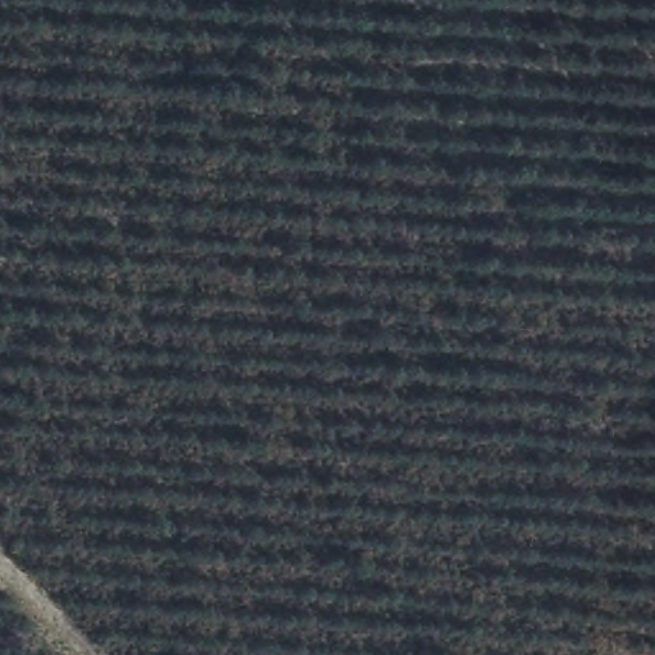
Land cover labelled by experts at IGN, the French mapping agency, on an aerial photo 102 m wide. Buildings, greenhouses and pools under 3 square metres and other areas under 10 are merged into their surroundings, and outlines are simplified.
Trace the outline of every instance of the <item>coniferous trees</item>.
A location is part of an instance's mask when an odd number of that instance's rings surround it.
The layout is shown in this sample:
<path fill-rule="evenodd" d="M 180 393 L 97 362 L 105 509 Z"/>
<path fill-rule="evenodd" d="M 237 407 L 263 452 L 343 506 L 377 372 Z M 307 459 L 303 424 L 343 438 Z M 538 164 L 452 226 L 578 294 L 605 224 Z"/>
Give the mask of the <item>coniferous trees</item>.
<path fill-rule="evenodd" d="M 15 550 L 41 555 L 43 563 L 51 563 L 56 555 L 77 558 L 82 553 L 82 542 L 72 540 L 15 540 Z"/>
<path fill-rule="evenodd" d="M 179 72 L 179 61 L 143 59 L 143 72 Z"/>
<path fill-rule="evenodd" d="M 655 95 L 573 92 L 550 84 L 481 84 L 412 77 L 402 79 L 399 87 L 417 92 L 473 97 L 525 97 L 565 100 L 576 105 L 655 107 Z"/>
<path fill-rule="evenodd" d="M 3 20 L 0 26 L 0 33 L 26 33 L 46 38 L 51 33 L 51 23 Z"/>
<path fill-rule="evenodd" d="M 38 425 L 0 425 L 0 440 L 36 438 Z"/>
<path fill-rule="evenodd" d="M 289 97 L 274 95 L 264 84 L 253 92 L 243 92 L 238 87 L 197 90 L 148 87 L 125 82 L 105 84 L 87 79 L 54 82 L 0 77 L 0 92 L 41 92 L 59 97 L 90 95 L 156 105 L 166 100 L 220 102 L 246 113 L 284 110 Z"/>
<path fill-rule="evenodd" d="M 18 110 L 20 123 L 54 123 L 61 128 L 133 125 L 133 115 L 54 113 L 28 107 Z"/>
<path fill-rule="evenodd" d="M 69 23 L 72 38 L 87 41 L 110 38 L 120 43 L 146 43 L 159 49 L 238 49 L 243 43 L 243 36 L 212 36 L 192 31 L 166 33 L 159 28 L 113 26 L 95 28 L 84 23 Z"/>
<path fill-rule="evenodd" d="M 430 430 L 374 425 L 376 438 L 412 440 L 414 445 L 420 445 L 420 450 L 425 445 L 435 445 L 438 435 L 445 432 L 445 440 L 450 443 L 586 450 L 614 458 L 655 461 L 655 445 L 632 448 L 581 438 L 545 438 L 532 432 L 476 432 L 455 427 Z"/>
<path fill-rule="evenodd" d="M 125 159 L 133 148 L 133 143 L 74 141 L 74 154 L 87 159 L 102 156 L 118 161 Z"/>
<path fill-rule="evenodd" d="M 182 491 L 120 491 L 79 486 L 79 501 L 148 504 L 151 509 L 156 504 L 184 504 Z"/>
<path fill-rule="evenodd" d="M 28 499 L 38 494 L 41 481 L 0 481 L 0 494 L 18 494 Z"/>
<path fill-rule="evenodd" d="M 325 407 L 358 409 L 397 407 L 399 394 L 389 391 L 315 391 L 310 386 L 233 384 L 210 376 L 212 366 L 223 366 L 223 353 L 230 340 L 258 340 L 261 345 L 335 345 L 340 333 L 294 333 L 266 328 L 210 328 L 187 322 L 159 322 L 156 335 L 202 340 L 202 353 L 120 351 L 115 345 L 92 345 L 92 358 L 123 363 L 202 366 L 202 379 L 169 379 L 169 389 L 174 394 L 225 394 L 248 397 L 251 402 L 294 399 Z"/>
<path fill-rule="evenodd" d="M 655 194 L 655 182 L 624 182 L 596 174 L 537 169 L 461 171 L 461 184 L 486 182 L 507 187 L 588 187 L 614 194 Z"/>
<path fill-rule="evenodd" d="M 328 491 L 366 494 L 371 486 L 371 481 L 330 478 Z"/>
<path fill-rule="evenodd" d="M 253 455 L 269 458 L 271 453 L 271 445 L 266 440 L 210 440 L 207 453 L 217 453 L 228 461 L 243 461 Z"/>
<path fill-rule="evenodd" d="M 614 591 L 614 601 L 655 606 L 655 591 Z"/>
<path fill-rule="evenodd" d="M 438 51 L 422 46 L 389 46 L 389 59 L 417 61 L 425 67 L 517 67 L 583 77 L 622 74 L 655 79 L 655 38 L 588 36 L 568 31 L 545 33 L 517 26 L 448 23 L 432 18 L 407 20 L 269 8 L 235 10 L 230 5 L 205 8 L 205 18 L 217 23 L 302 23 L 320 28 L 509 38 L 537 46 L 578 43 L 591 49 L 586 61 L 537 59 L 494 51 Z M 601 64 L 601 49 L 640 49 L 642 61 Z"/>
<path fill-rule="evenodd" d="M 0 197 L 0 207 L 46 207 L 67 215 L 84 212 L 105 217 L 113 200 L 64 200 L 56 194 Z"/>
<path fill-rule="evenodd" d="M 246 565 L 248 553 L 256 545 L 322 545 L 320 532 L 266 532 L 238 530 L 228 525 L 177 525 L 169 519 L 143 522 L 79 517 L 72 519 L 72 527 L 82 530 L 182 537 L 202 535 L 235 540 L 238 553 L 187 553 L 171 548 L 141 550 L 128 545 L 105 545 L 105 560 L 171 560 L 174 565 L 189 563 L 241 568 Z"/>
<path fill-rule="evenodd" d="M 617 328 L 617 317 L 622 317 L 624 312 L 655 312 L 655 299 L 619 299 L 614 294 L 565 294 L 535 289 L 509 292 L 504 287 L 489 287 L 484 297 L 499 304 L 560 304 L 606 310 L 604 325 L 571 325 L 563 328 L 563 333 L 555 340 L 637 340 L 640 328 Z"/>
<path fill-rule="evenodd" d="M 92 394 L 107 394 L 118 386 L 115 374 L 95 376 L 46 368 L 46 381 L 51 381 L 54 386 L 87 386 Z"/>
<path fill-rule="evenodd" d="M 599 599 L 604 591 L 604 586 L 578 583 L 571 578 L 535 578 L 532 591 L 560 591 Z"/>
<path fill-rule="evenodd" d="M 61 609 L 69 619 L 74 614 L 107 617 L 118 604 L 67 601 Z"/>
<path fill-rule="evenodd" d="M 184 225 L 225 223 L 235 225 L 238 241 L 189 241 L 189 251 L 233 256 L 251 253 L 276 258 L 281 251 L 279 246 L 248 243 L 256 235 L 264 235 L 266 228 L 322 230 L 338 235 L 397 235 L 404 225 L 399 220 L 335 220 L 325 215 L 281 215 L 210 207 L 189 210 L 182 205 L 141 202 L 125 205 L 125 217 L 146 217 L 151 223 L 151 235 L 33 225 L 33 241 L 61 243 L 87 241 L 128 248 L 171 248 L 174 238 L 169 235 L 169 220 L 179 220 Z"/>
<path fill-rule="evenodd" d="M 151 476 L 154 481 L 210 478 L 210 468 L 182 471 L 179 466 L 97 461 L 97 473 Z"/>
<path fill-rule="evenodd" d="M 320 565 L 320 576 L 384 578 L 391 594 L 358 596 L 317 588 L 302 591 L 304 601 L 330 606 L 417 612 L 432 609 L 432 599 L 425 599 L 432 586 L 448 594 L 458 594 L 461 588 L 484 588 L 486 601 L 448 601 L 450 612 L 468 614 L 473 629 L 458 629 L 450 624 L 414 624 L 417 637 L 481 642 L 484 629 L 504 629 L 504 622 L 494 622 L 494 612 L 507 606 L 509 591 L 519 591 L 522 578 L 514 576 L 514 560 L 578 565 L 594 573 L 655 576 L 655 563 L 599 560 L 568 553 L 509 548 L 489 550 L 471 548 L 471 537 L 476 535 L 476 530 L 489 530 L 512 532 L 517 540 L 525 540 L 527 535 L 568 535 L 581 537 L 586 542 L 614 542 L 645 550 L 655 548 L 655 535 L 645 535 L 640 527 L 609 530 L 576 522 L 568 525 L 491 519 L 486 514 L 417 514 L 414 519 L 407 512 L 394 509 L 368 509 L 358 504 L 307 504 L 307 517 L 389 522 L 389 540 L 351 540 L 351 548 L 361 550 L 361 563 L 345 563 L 335 558 Z M 466 571 L 468 563 L 484 560 L 504 565 L 501 576 L 461 576 L 461 571 Z"/>
<path fill-rule="evenodd" d="M 179 18 L 184 15 L 184 3 L 141 0 L 0 0 L 0 5 Z"/>
<path fill-rule="evenodd" d="M 330 320 L 343 322 L 376 320 L 384 325 L 425 325 L 430 304 L 435 299 L 455 294 L 455 279 L 461 271 L 655 284 L 655 271 L 612 269 L 601 264 L 530 264 L 501 258 L 445 261 L 440 258 L 440 253 L 448 241 L 494 241 L 655 253 L 655 238 L 627 235 L 614 243 L 609 235 L 596 233 L 535 233 L 512 228 L 450 228 L 417 223 L 412 228 L 420 233 L 420 241 L 407 243 L 407 253 L 315 248 L 310 243 L 299 243 L 292 248 L 292 258 L 312 258 L 320 264 L 338 261 L 374 266 L 425 266 L 438 271 L 435 281 L 417 284 L 379 279 L 376 292 L 397 294 L 397 310 L 374 310 L 366 304 L 330 307 Z"/>
<path fill-rule="evenodd" d="M 264 304 L 269 317 L 294 315 L 310 320 L 310 304 L 279 302 Z"/>
<path fill-rule="evenodd" d="M 248 417 L 243 412 L 179 412 L 136 404 L 87 407 L 33 399 L 33 412 L 38 414 L 102 417 L 123 422 L 156 417 L 200 425 L 243 425 Z"/>
<path fill-rule="evenodd" d="M 568 18 L 596 20 L 655 20 L 655 8 L 594 5 L 565 0 L 427 0 L 432 5 L 445 8 L 560 13 Z"/>
<path fill-rule="evenodd" d="M 294 632 L 315 629 L 317 622 L 317 617 L 128 606 L 128 617 L 138 622 L 161 619 L 171 624 L 215 624 L 228 627 L 228 632 L 269 627 L 276 632 Z"/>
<path fill-rule="evenodd" d="M 279 82 L 292 82 L 302 87 L 351 84 L 379 90 L 389 84 L 389 77 L 381 72 L 353 74 L 289 69 L 292 56 L 340 54 L 366 59 L 374 54 L 371 41 L 310 41 L 294 36 L 266 36 L 256 41 L 256 49 L 269 51 L 274 56 L 271 77 Z"/>
<path fill-rule="evenodd" d="M 123 69 L 125 64 L 123 56 L 77 56 L 77 67 L 92 69 Z"/>
<path fill-rule="evenodd" d="M 514 330 L 519 325 L 519 317 L 504 317 L 501 343 L 473 343 L 473 356 L 586 366 L 594 366 L 599 358 L 606 358 L 606 366 L 612 368 L 635 368 L 642 374 L 655 374 L 655 358 L 645 358 L 637 351 L 617 356 L 591 351 L 563 353 L 530 348 Z"/>
<path fill-rule="evenodd" d="M 402 146 L 404 138 L 402 133 L 353 133 L 353 146 L 394 148 Z"/>
<path fill-rule="evenodd" d="M 310 128 L 284 130 L 281 141 L 322 146 L 330 141 L 330 133 Z"/>
<path fill-rule="evenodd" d="M 200 440 L 194 432 L 130 432 L 130 448 L 192 448 Z"/>
<path fill-rule="evenodd" d="M 340 274 L 315 276 L 304 271 L 243 269 L 243 284 L 302 284 L 304 289 L 315 289 L 317 294 L 338 289 L 363 292 L 371 284 L 371 279 L 345 279 Z"/>
<path fill-rule="evenodd" d="M 619 210 L 586 202 L 519 205 L 519 212 L 527 217 L 619 220 L 655 225 L 655 210 Z"/>
<path fill-rule="evenodd" d="M 207 61 L 194 64 L 194 74 L 246 77 L 248 64 L 228 67 L 220 61 Z"/>
<path fill-rule="evenodd" d="M 5 136 L 0 130 L 0 146 L 5 151 L 33 148 L 41 154 L 51 154 L 59 141 L 43 136 Z"/>
<path fill-rule="evenodd" d="M 299 491 L 307 486 L 307 476 L 276 476 L 276 489 Z"/>
<path fill-rule="evenodd" d="M 74 187 L 113 187 L 113 174 L 64 171 L 64 182 Z"/>
<path fill-rule="evenodd" d="M 617 617 L 581 614 L 573 609 L 558 612 L 560 622 L 573 627 L 655 632 L 655 619 L 624 622 Z"/>
<path fill-rule="evenodd" d="M 617 468 L 594 468 L 588 463 L 545 466 L 545 476 L 550 478 L 560 476 L 568 481 L 599 481 L 617 486 L 655 489 L 655 476 L 627 473 Z"/>
<path fill-rule="evenodd" d="M 169 130 L 174 133 L 220 136 L 228 146 L 215 148 L 215 154 L 210 156 L 217 166 L 248 164 L 264 169 L 340 171 L 351 177 L 407 177 L 430 182 L 440 182 L 445 174 L 445 169 L 440 166 L 417 164 L 361 164 L 345 159 L 281 156 L 276 151 L 248 154 L 235 148 L 241 138 L 266 138 L 271 136 L 269 125 L 166 120 Z"/>
<path fill-rule="evenodd" d="M 409 501 L 427 499 L 427 489 L 422 486 L 389 484 L 389 496 L 404 496 Z"/>
<path fill-rule="evenodd" d="M 246 588 L 241 583 L 182 581 L 182 594 L 197 596 L 241 596 Z"/>
<path fill-rule="evenodd" d="M 409 455 L 348 450 L 351 463 L 381 468 L 417 466 L 427 468 L 430 473 L 450 476 L 473 473 L 484 463 L 481 458 L 438 458 L 427 453 Z"/>
<path fill-rule="evenodd" d="M 0 294 L 54 299 L 59 287 L 0 281 Z"/>
<path fill-rule="evenodd" d="M 525 128 L 573 128 L 619 136 L 655 136 L 655 123 L 586 120 L 573 115 L 535 115 L 507 110 L 440 110 L 435 105 L 384 105 L 389 118 L 432 120 L 448 125 L 494 123 Z"/>
<path fill-rule="evenodd" d="M 368 650 L 345 652 L 307 645 L 246 645 L 238 642 L 235 635 L 228 635 L 228 640 L 220 642 L 107 632 L 102 635 L 100 645 L 95 645 L 102 655 L 107 655 L 115 645 L 217 655 L 374 655 Z"/>
<path fill-rule="evenodd" d="M 345 207 L 374 205 L 407 210 L 427 207 L 443 212 L 489 212 L 501 205 L 496 197 L 448 200 L 435 194 L 307 189 L 297 184 L 241 182 L 235 192 L 238 197 L 289 197 L 299 205 L 320 200 Z"/>
<path fill-rule="evenodd" d="M 18 363 L 0 366 L 0 381 L 31 381 L 36 368 Z"/>
<path fill-rule="evenodd" d="M 448 138 L 425 141 L 425 151 L 445 154 L 509 154 L 540 159 L 560 156 L 576 161 L 596 159 L 606 164 L 632 164 L 655 169 L 655 154 L 609 151 L 588 143 L 496 143 Z"/>
<path fill-rule="evenodd" d="M 455 304 L 453 320 L 458 328 L 491 328 L 491 317 L 466 315 L 466 304 Z"/>
<path fill-rule="evenodd" d="M 361 107 L 361 102 L 356 100 L 333 102 L 315 97 L 315 113 L 328 110 L 335 118 L 356 115 Z"/>
<path fill-rule="evenodd" d="M 174 161 L 202 159 L 202 146 L 169 146 L 169 159 Z"/>
<path fill-rule="evenodd" d="M 501 507 L 540 507 L 568 512 L 578 509 L 609 517 L 655 519 L 655 504 L 612 504 L 599 496 L 532 496 L 504 491 L 491 494 L 491 504 Z"/>
<path fill-rule="evenodd" d="M 522 386 L 568 391 L 578 397 L 576 407 L 548 402 L 471 402 L 430 397 L 435 412 L 466 412 L 481 417 L 491 414 L 522 420 L 550 417 L 576 425 L 655 430 L 655 414 L 606 414 L 599 407 L 591 407 L 591 402 L 599 394 L 604 394 L 609 399 L 637 397 L 655 402 L 655 389 L 612 381 L 596 384 L 545 379 L 512 371 L 438 371 L 422 366 L 391 368 L 279 358 L 238 361 L 241 371 L 320 374 L 328 381 L 345 376 L 402 384 L 422 381 L 484 389 Z"/>
<path fill-rule="evenodd" d="M 207 179 L 171 177 L 166 182 L 169 192 L 194 194 L 207 192 L 212 184 Z"/>
<path fill-rule="evenodd" d="M 82 328 L 82 315 L 5 310 L 3 322 L 13 325 Z"/>
<path fill-rule="evenodd" d="M 31 576 L 33 583 L 49 596 L 51 591 L 64 586 L 164 591 L 166 581 L 100 573 L 84 576 L 69 571 L 36 571 Z"/>
<path fill-rule="evenodd" d="M 79 299 L 84 302 L 105 302 L 102 330 L 118 333 L 136 330 L 141 307 L 182 307 L 189 312 L 248 312 L 253 304 L 251 299 L 156 299 L 146 297 L 143 292 L 120 294 L 115 289 L 79 289 Z"/>
<path fill-rule="evenodd" d="M 5 264 L 72 276 L 128 276 L 130 271 L 136 271 L 136 261 L 130 258 L 26 258 L 20 253 L 8 253 Z"/>
<path fill-rule="evenodd" d="M 69 356 L 72 343 L 56 340 L 31 343 L 28 353 Z"/>

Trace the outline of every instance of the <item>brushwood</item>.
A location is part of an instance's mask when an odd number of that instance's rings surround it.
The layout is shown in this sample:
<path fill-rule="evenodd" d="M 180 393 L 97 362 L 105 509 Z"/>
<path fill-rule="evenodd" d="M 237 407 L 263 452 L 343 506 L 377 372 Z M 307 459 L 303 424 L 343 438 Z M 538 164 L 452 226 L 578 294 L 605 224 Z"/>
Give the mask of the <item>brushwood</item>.
<path fill-rule="evenodd" d="M 527 535 L 525 540 L 517 540 L 512 532 L 489 530 L 476 530 L 476 535 L 471 537 L 471 548 L 489 550 L 509 548 L 568 553 L 599 560 L 655 563 L 655 548 L 645 550 L 614 542 L 586 542 L 581 537 L 568 535 Z"/>
<path fill-rule="evenodd" d="M 20 571 L 31 576 L 36 571 L 69 571 L 84 576 L 100 573 L 166 581 L 164 591 L 64 586 L 51 591 L 49 596 L 61 609 L 67 601 L 118 604 L 107 617 L 74 614 L 69 619 L 74 629 L 79 629 L 95 645 L 100 645 L 102 635 L 107 632 L 220 642 L 228 640 L 228 635 L 235 635 L 238 642 L 246 645 L 307 645 L 345 652 L 368 650 L 374 655 L 545 655 L 542 650 L 550 647 L 558 637 L 596 642 L 599 637 L 604 637 L 629 650 L 655 647 L 655 632 L 573 627 L 560 622 L 558 612 L 573 609 L 581 614 L 617 617 L 624 622 L 655 619 L 655 606 L 614 601 L 614 591 L 655 591 L 655 576 L 594 573 L 578 565 L 514 560 L 514 576 L 522 578 L 519 591 L 509 591 L 507 606 L 494 612 L 494 622 L 504 622 L 504 629 L 484 629 L 481 642 L 417 637 L 414 624 L 450 624 L 458 629 L 473 629 L 468 614 L 450 612 L 448 601 L 486 601 L 484 588 L 461 588 L 458 594 L 448 594 L 432 586 L 425 599 L 432 599 L 432 609 L 417 612 L 330 606 L 304 601 L 302 591 L 317 588 L 358 596 L 391 594 L 384 578 L 320 576 L 320 565 L 335 558 L 345 563 L 361 563 L 361 550 L 351 548 L 351 540 L 389 540 L 389 522 L 307 517 L 307 504 L 358 504 L 368 509 L 394 509 L 407 512 L 414 519 L 417 514 L 486 514 L 491 519 L 568 525 L 576 522 L 609 530 L 640 527 L 645 535 L 655 535 L 655 519 L 609 517 L 578 509 L 568 512 L 540 507 L 501 507 L 491 504 L 491 494 L 504 491 L 532 496 L 599 496 L 612 504 L 655 504 L 655 489 L 617 486 L 599 481 L 568 481 L 560 476 L 550 478 L 545 476 L 545 466 L 588 463 L 594 468 L 617 468 L 627 473 L 655 476 L 655 461 L 614 458 L 586 450 L 450 443 L 445 440 L 445 432 L 438 435 L 435 445 L 425 445 L 420 450 L 420 445 L 414 445 L 412 440 L 376 438 L 374 425 L 430 430 L 455 427 L 476 432 L 532 432 L 545 438 L 581 438 L 632 448 L 655 445 L 655 430 L 576 425 L 550 417 L 522 420 L 491 414 L 481 417 L 466 412 L 435 412 L 430 397 L 471 402 L 548 402 L 576 407 L 578 397 L 568 391 L 522 386 L 484 389 L 422 381 L 402 384 L 345 376 L 328 381 L 320 374 L 241 371 L 238 361 L 279 358 L 391 368 L 422 366 L 438 371 L 512 371 L 545 379 L 596 384 L 612 381 L 655 389 L 655 374 L 642 374 L 635 368 L 612 368 L 606 366 L 606 358 L 599 358 L 594 366 L 586 366 L 473 356 L 473 343 L 501 343 L 504 317 L 519 317 L 519 325 L 514 330 L 530 348 L 563 353 L 591 351 L 617 356 L 637 351 L 645 358 L 655 358 L 655 312 L 624 312 L 622 317 L 617 317 L 617 328 L 640 328 L 637 340 L 555 340 L 563 333 L 563 328 L 571 325 L 604 325 L 606 310 L 560 304 L 499 304 L 484 297 L 489 287 L 504 287 L 509 292 L 535 289 L 565 294 L 614 294 L 619 299 L 655 299 L 655 284 L 461 271 L 455 279 L 455 294 L 435 299 L 430 304 L 425 325 L 384 325 L 376 320 L 343 322 L 330 320 L 330 307 L 366 304 L 374 310 L 397 310 L 397 294 L 376 292 L 379 279 L 417 284 L 435 281 L 438 271 L 425 266 L 374 266 L 338 261 L 320 264 L 312 258 L 292 258 L 292 248 L 299 243 L 310 243 L 315 248 L 407 253 L 407 243 L 420 241 L 420 233 L 412 228 L 417 223 L 450 228 L 512 228 L 535 233 L 596 233 L 609 235 L 614 243 L 627 235 L 655 238 L 655 225 L 619 220 L 527 217 L 519 212 L 519 205 L 586 202 L 619 210 L 655 210 L 655 194 L 614 194 L 588 187 L 507 187 L 486 182 L 461 184 L 461 171 L 537 169 L 596 174 L 624 182 L 655 182 L 655 169 L 632 164 L 606 164 L 596 159 L 576 161 L 560 156 L 540 159 L 509 154 L 445 154 L 425 151 L 425 141 L 448 138 L 496 143 L 588 143 L 609 151 L 655 154 L 655 136 L 619 136 L 573 128 L 525 128 L 494 123 L 448 125 L 432 120 L 389 118 L 384 105 L 435 105 L 440 110 L 507 110 L 535 115 L 573 115 L 586 120 L 655 123 L 655 107 L 576 105 L 565 100 L 525 97 L 473 97 L 417 92 L 399 87 L 402 79 L 412 77 L 481 84 L 550 84 L 573 92 L 655 95 L 655 79 L 622 74 L 583 77 L 517 67 L 425 67 L 417 61 L 389 59 L 389 46 L 422 46 L 438 51 L 494 51 L 537 59 L 586 61 L 591 49 L 578 43 L 537 46 L 509 38 L 320 28 L 302 23 L 217 23 L 205 18 L 205 8 L 230 5 L 235 10 L 269 8 L 407 20 L 432 18 L 448 23 L 517 26 L 545 33 L 568 31 L 588 36 L 655 38 L 655 20 L 596 20 L 568 18 L 560 13 L 445 8 L 432 5 L 427 0 L 141 0 L 184 3 L 184 15 L 179 18 L 0 5 L 0 26 L 3 20 L 51 23 L 51 33 L 46 38 L 26 33 L 0 33 L 0 77 L 54 82 L 87 79 L 105 84 L 125 82 L 148 87 L 197 90 L 238 87 L 243 92 L 253 92 L 264 84 L 274 95 L 289 97 L 284 110 L 246 113 L 220 102 L 166 100 L 156 105 L 90 95 L 59 97 L 41 92 L 0 92 L 0 130 L 5 136 L 43 136 L 59 141 L 51 154 L 41 154 L 33 148 L 5 151 L 0 146 L 0 197 L 56 194 L 64 200 L 113 200 L 105 217 L 84 212 L 67 215 L 46 207 L 0 207 L 0 281 L 59 287 L 54 299 L 0 294 L 0 366 L 18 363 L 36 368 L 31 381 L 0 381 L 0 425 L 38 425 L 36 438 L 0 440 L 0 481 L 41 481 L 38 494 L 28 499 L 18 494 L 0 494 L 0 548 L 5 558 L 10 558 Z M 113 26 L 159 28 L 166 33 L 192 31 L 212 36 L 243 36 L 243 43 L 238 49 L 159 49 L 146 43 L 120 43 L 110 38 L 87 41 L 72 38 L 69 23 L 84 23 L 95 28 Z M 274 56 L 269 51 L 256 49 L 256 41 L 266 36 L 294 36 L 310 41 L 371 41 L 374 54 L 366 59 L 340 54 L 292 56 L 289 69 L 353 74 L 381 72 L 389 77 L 389 84 L 379 90 L 351 84 L 302 87 L 292 82 L 279 82 L 271 77 Z M 125 64 L 123 69 L 92 69 L 77 67 L 77 56 L 123 56 Z M 143 72 L 143 59 L 179 61 L 179 72 Z M 248 64 L 246 77 L 194 74 L 194 64 L 207 61 L 220 61 L 228 67 Z M 361 102 L 361 107 L 356 115 L 335 118 L 328 110 L 315 113 L 315 97 L 333 102 L 356 100 Z M 61 128 L 54 123 L 20 123 L 18 110 L 28 107 L 54 113 L 133 115 L 133 125 Z M 269 125 L 271 136 L 266 138 L 241 138 L 235 148 L 248 154 L 276 151 L 281 156 L 345 159 L 361 164 L 417 164 L 440 166 L 445 169 L 445 174 L 440 182 L 430 182 L 407 177 L 351 177 L 340 171 L 264 169 L 248 164 L 217 166 L 210 156 L 215 154 L 215 148 L 228 146 L 220 136 L 174 133 L 169 130 L 166 120 Z M 330 141 L 322 146 L 281 141 L 284 130 L 310 128 L 330 133 Z M 404 138 L 402 146 L 394 148 L 353 146 L 353 133 L 402 133 Z M 87 159 L 74 154 L 74 141 L 133 143 L 133 148 L 125 159 L 118 161 L 102 156 Z M 169 159 L 169 146 L 202 146 L 202 159 L 174 161 Z M 64 171 L 113 174 L 113 187 L 74 187 L 64 182 Z M 207 192 L 194 194 L 169 192 L 166 182 L 171 177 L 207 179 L 212 184 Z M 435 194 L 448 200 L 496 197 L 501 205 L 489 212 L 443 212 L 427 207 L 407 210 L 374 205 L 345 207 L 320 200 L 299 205 L 289 197 L 238 197 L 235 192 L 241 182 L 297 184 L 307 189 Z M 397 235 L 338 235 L 322 230 L 266 228 L 264 235 L 256 235 L 248 243 L 279 246 L 281 251 L 276 258 L 251 253 L 233 256 L 189 251 L 189 241 L 238 241 L 235 225 L 225 223 L 184 225 L 179 220 L 169 220 L 169 235 L 174 238 L 171 248 L 128 248 L 87 241 L 61 243 L 33 241 L 33 225 L 151 235 L 151 223 L 146 217 L 125 217 L 125 205 L 141 202 L 182 205 L 189 210 L 210 207 L 281 215 L 325 215 L 335 220 L 399 220 L 404 225 Z M 26 258 L 130 258 L 136 261 L 136 271 L 130 271 L 128 276 L 72 276 L 5 264 L 8 253 L 20 253 Z M 315 276 L 340 274 L 345 279 L 371 279 L 371 284 L 363 292 L 338 289 L 317 294 L 315 289 L 304 289 L 302 284 L 243 284 L 243 269 L 304 271 Z M 102 330 L 105 302 L 84 302 L 79 299 L 79 289 L 115 289 L 120 294 L 143 292 L 146 297 L 156 299 L 251 299 L 253 304 L 248 312 L 189 312 L 182 307 L 141 307 L 136 330 L 118 333 Z M 264 304 L 279 302 L 310 304 L 310 320 L 294 315 L 269 317 Z M 455 304 L 466 304 L 466 315 L 491 317 L 491 328 L 458 328 L 453 320 Z M 5 310 L 82 315 L 82 328 L 13 325 L 3 322 Z M 223 353 L 223 366 L 212 366 L 210 376 L 233 384 L 310 386 L 315 391 L 389 391 L 399 394 L 397 407 L 358 409 L 325 407 L 294 399 L 251 402 L 248 397 L 225 394 L 174 394 L 169 389 L 169 379 L 202 379 L 202 366 L 123 363 L 92 358 L 92 345 L 115 345 L 120 351 L 202 353 L 202 340 L 156 335 L 159 322 L 187 322 L 210 328 L 266 328 L 294 333 L 340 333 L 335 345 L 261 345 L 258 340 L 230 340 Z M 28 353 L 31 343 L 56 340 L 72 343 L 69 356 Z M 92 394 L 87 386 L 54 386 L 51 381 L 46 381 L 46 368 L 95 376 L 115 374 L 118 386 L 107 394 Z M 200 425 L 156 417 L 123 422 L 102 417 L 38 414 L 33 412 L 33 399 L 87 407 L 136 404 L 179 412 L 243 412 L 248 417 L 243 425 Z M 192 448 L 130 448 L 130 432 L 194 432 L 200 440 Z M 207 453 L 210 440 L 266 440 L 271 445 L 271 453 L 269 458 L 253 455 L 243 461 L 228 461 L 217 453 Z M 430 473 L 427 468 L 417 466 L 381 468 L 351 463 L 348 450 L 409 455 L 427 453 L 438 458 L 481 458 L 484 463 L 473 473 L 450 476 Z M 97 461 L 179 466 L 182 471 L 210 468 L 210 478 L 154 481 L 151 476 L 97 473 Z M 307 486 L 299 491 L 276 489 L 276 476 L 307 476 Z M 328 491 L 330 478 L 371 481 L 371 486 L 366 494 Z M 389 484 L 422 486 L 427 489 L 427 499 L 409 501 L 404 496 L 389 496 Z M 156 504 L 151 509 L 148 504 L 79 501 L 79 486 L 120 491 L 182 491 L 184 504 Z M 141 550 L 171 548 L 187 553 L 238 553 L 235 540 L 202 535 L 182 537 L 82 530 L 72 527 L 72 519 L 79 517 L 143 522 L 169 519 L 177 525 L 228 525 L 238 530 L 266 532 L 320 532 L 322 545 L 256 545 L 248 553 L 246 565 L 241 568 L 189 563 L 174 565 L 171 560 L 105 560 L 105 545 L 128 545 Z M 56 555 L 51 563 L 43 563 L 41 555 L 15 550 L 15 540 L 72 540 L 82 542 L 82 553 L 77 558 Z M 604 586 L 604 591 L 599 599 L 560 591 L 532 591 L 535 578 L 571 578 L 578 583 Z M 241 596 L 197 596 L 182 594 L 182 581 L 241 583 L 246 588 Z M 138 622 L 128 617 L 128 606 L 317 617 L 317 622 L 315 629 L 294 632 L 276 632 L 269 627 L 228 632 L 228 627 L 215 624 L 171 624 L 161 619 Z"/>
<path fill-rule="evenodd" d="M 655 8 L 655 0 L 565 0 L 594 5 Z"/>
<path fill-rule="evenodd" d="M 440 253 L 440 258 L 445 261 L 501 258 L 530 264 L 601 264 L 612 269 L 655 271 L 655 253 L 494 241 L 448 241 Z"/>
<path fill-rule="evenodd" d="M 609 399 L 604 394 L 599 394 L 591 402 L 591 407 L 599 407 L 606 414 L 655 414 L 655 402 L 637 397 Z"/>
<path fill-rule="evenodd" d="M 642 61 L 640 49 L 601 49 L 601 64 Z"/>
<path fill-rule="evenodd" d="M 461 576 L 501 576 L 504 565 L 484 560 L 468 563 L 466 571 L 461 571 Z"/>
<path fill-rule="evenodd" d="M 107 655 L 217 655 L 115 645 Z"/>

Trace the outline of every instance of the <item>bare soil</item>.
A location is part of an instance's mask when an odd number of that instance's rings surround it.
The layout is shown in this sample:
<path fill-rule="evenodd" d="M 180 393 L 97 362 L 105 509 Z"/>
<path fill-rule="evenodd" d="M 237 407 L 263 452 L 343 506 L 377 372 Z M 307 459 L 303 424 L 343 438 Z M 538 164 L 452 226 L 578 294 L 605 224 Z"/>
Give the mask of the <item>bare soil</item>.
<path fill-rule="evenodd" d="M 655 655 L 655 647 L 629 650 L 604 637 L 599 637 L 596 642 L 558 637 L 550 647 L 542 650 L 545 655 Z"/>
<path fill-rule="evenodd" d="M 95 645 L 79 629 L 74 629 L 69 619 L 61 609 L 49 596 L 33 583 L 31 576 L 20 571 L 10 558 L 5 558 L 0 548 L 0 606 L 28 614 L 36 622 L 36 632 L 46 640 L 51 655 L 102 655 Z"/>

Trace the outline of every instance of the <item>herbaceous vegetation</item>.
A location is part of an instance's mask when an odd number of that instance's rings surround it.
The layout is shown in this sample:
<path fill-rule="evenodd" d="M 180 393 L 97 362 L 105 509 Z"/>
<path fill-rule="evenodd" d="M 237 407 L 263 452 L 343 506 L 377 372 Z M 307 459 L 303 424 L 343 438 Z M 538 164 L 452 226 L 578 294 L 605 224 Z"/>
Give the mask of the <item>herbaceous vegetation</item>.
<path fill-rule="evenodd" d="M 28 614 L 0 606 L 0 655 L 51 655 L 46 640 L 36 632 L 36 622 Z"/>

